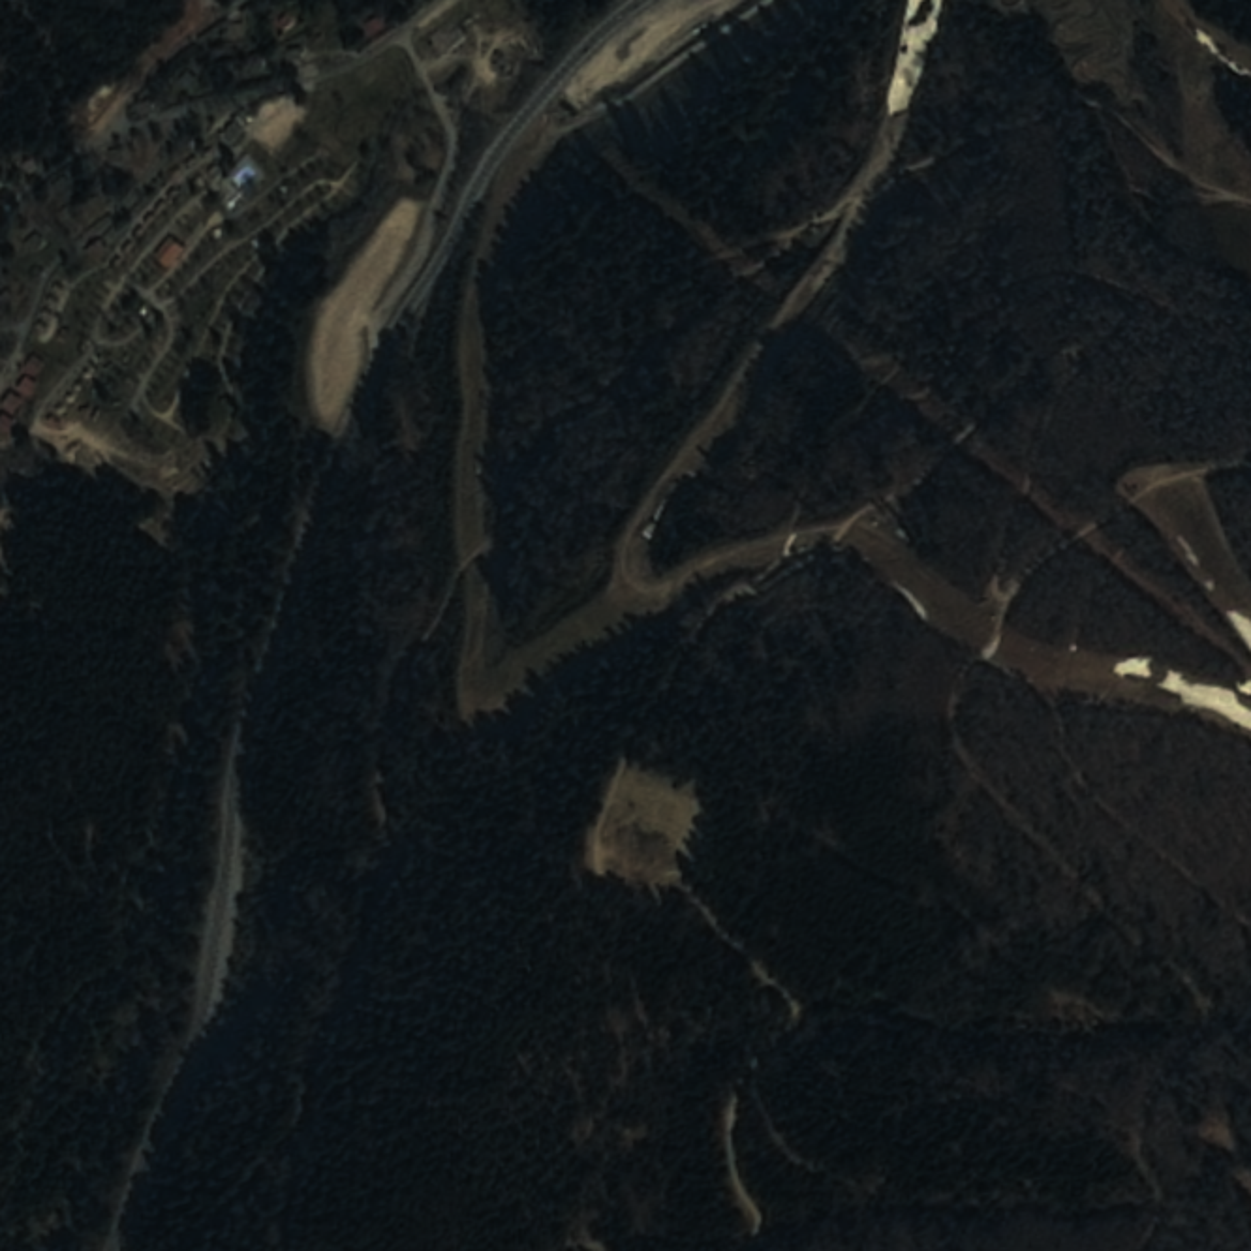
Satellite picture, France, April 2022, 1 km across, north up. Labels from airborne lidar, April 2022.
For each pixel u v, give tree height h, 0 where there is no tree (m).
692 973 21
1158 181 17
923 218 28
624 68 0
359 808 24
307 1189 19
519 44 0
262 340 21
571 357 31
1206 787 17
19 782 17
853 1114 6
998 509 15
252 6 10
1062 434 14
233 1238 29
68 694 22
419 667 19
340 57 0
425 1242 18
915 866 16
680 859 0
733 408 0
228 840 0
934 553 10
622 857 0
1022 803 20
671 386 33
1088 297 24
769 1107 14
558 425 22
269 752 21
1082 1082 9
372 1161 20
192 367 0
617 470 29
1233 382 25
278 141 0
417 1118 23
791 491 7
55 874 21
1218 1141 0
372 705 23
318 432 0
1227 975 18
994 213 8
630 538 0
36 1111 9
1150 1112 8
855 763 18
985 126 16
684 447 0
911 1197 15
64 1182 15
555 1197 36
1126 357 22
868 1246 13
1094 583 19
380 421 20
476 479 0
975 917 9
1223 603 0
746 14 0
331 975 23
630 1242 12
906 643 14
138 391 0
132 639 26
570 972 25
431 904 30
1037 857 19
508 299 34
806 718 20
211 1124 26
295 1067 25
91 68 16
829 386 15
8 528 0
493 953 26
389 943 26
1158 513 0
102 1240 14
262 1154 25
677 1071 13
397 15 24
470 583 0
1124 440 14
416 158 15
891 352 6
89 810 18
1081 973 8
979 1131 10
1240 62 0
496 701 0
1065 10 0
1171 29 0
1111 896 19
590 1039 27
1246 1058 19
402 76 0
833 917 15
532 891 27
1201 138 0
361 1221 21
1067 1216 7
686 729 15
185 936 34
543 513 20
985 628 0
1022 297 14
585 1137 22
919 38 0
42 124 14
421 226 0
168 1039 25
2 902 23
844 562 11
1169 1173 13
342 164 0
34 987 24
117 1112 13
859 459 18
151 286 9
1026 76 18
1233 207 0
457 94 11
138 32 18
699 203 20
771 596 14
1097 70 0
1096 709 14
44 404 0
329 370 0
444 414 6
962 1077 15
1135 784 16
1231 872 10
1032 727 20
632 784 0
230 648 9
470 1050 23
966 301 7
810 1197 12
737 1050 12
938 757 8
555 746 15
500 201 0
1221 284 25
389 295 0
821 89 30
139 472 0
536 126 0
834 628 26
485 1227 26
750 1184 7
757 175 28
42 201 15
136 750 26
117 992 23
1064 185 15
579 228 33
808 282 0
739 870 28
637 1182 12
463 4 0
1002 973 22
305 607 22
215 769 24
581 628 0
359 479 20
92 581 19
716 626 10
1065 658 0
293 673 18
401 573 27
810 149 19
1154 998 11
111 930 26
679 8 0
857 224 0
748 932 21
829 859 17
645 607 0
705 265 16
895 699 14
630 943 29
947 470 13
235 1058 23
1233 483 18
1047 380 19
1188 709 0
